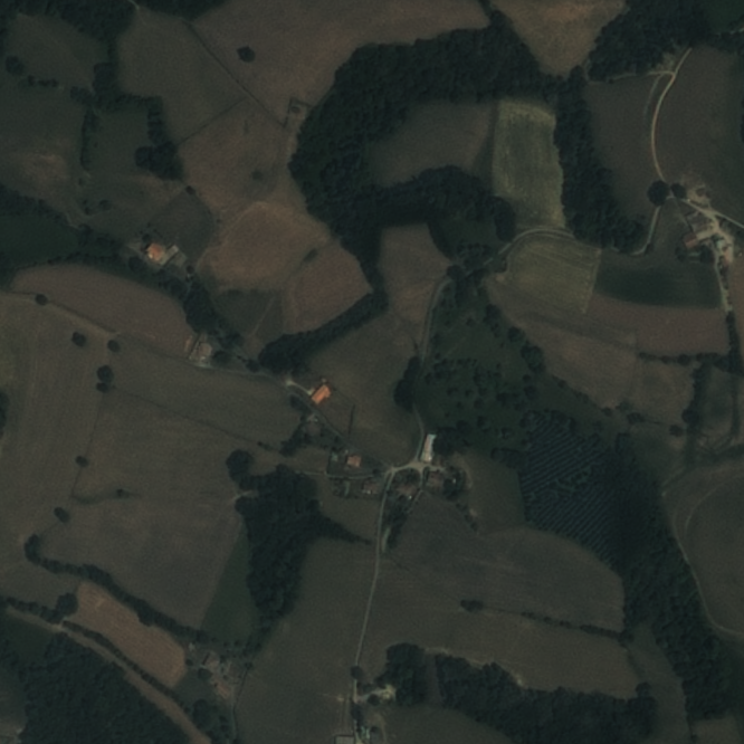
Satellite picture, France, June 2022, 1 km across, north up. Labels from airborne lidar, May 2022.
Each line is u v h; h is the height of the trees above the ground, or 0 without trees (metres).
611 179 21
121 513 0
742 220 0
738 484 0
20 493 0
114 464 0
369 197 25
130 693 31
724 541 0
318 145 8
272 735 0
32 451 0
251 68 0
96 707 25
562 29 0
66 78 0
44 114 0
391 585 0
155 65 0
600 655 0
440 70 19
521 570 0
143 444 0
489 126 0
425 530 0
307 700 0
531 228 0
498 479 0
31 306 0
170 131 0
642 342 0
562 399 0
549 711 19
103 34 8
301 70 0
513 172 0
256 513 18
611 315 0
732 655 0
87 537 0
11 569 0
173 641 0
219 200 0
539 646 0
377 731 10
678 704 0
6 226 0
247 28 0
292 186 0
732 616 0
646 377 0
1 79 0
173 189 0
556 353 0
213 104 0
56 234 0
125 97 10
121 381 0
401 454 0
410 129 0
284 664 0
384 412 0
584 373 0
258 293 0
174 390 0
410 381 17
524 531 0
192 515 0
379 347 0
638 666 0
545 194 0
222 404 0
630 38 18
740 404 0
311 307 0
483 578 0
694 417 21
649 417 0
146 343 0
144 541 0
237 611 0
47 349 0
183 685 0
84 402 0
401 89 22
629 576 10
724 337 0
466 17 0
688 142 0
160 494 0
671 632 16
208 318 18
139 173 0
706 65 0
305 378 0
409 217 14
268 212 0
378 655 0
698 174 0
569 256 0
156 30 0
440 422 0
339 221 23
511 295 0
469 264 22
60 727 16
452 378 16
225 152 0
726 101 0
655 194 17
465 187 24
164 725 29
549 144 0
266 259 0
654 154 0
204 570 0
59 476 0
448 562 0
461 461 0
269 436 0
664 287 0
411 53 10
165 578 0
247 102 0
